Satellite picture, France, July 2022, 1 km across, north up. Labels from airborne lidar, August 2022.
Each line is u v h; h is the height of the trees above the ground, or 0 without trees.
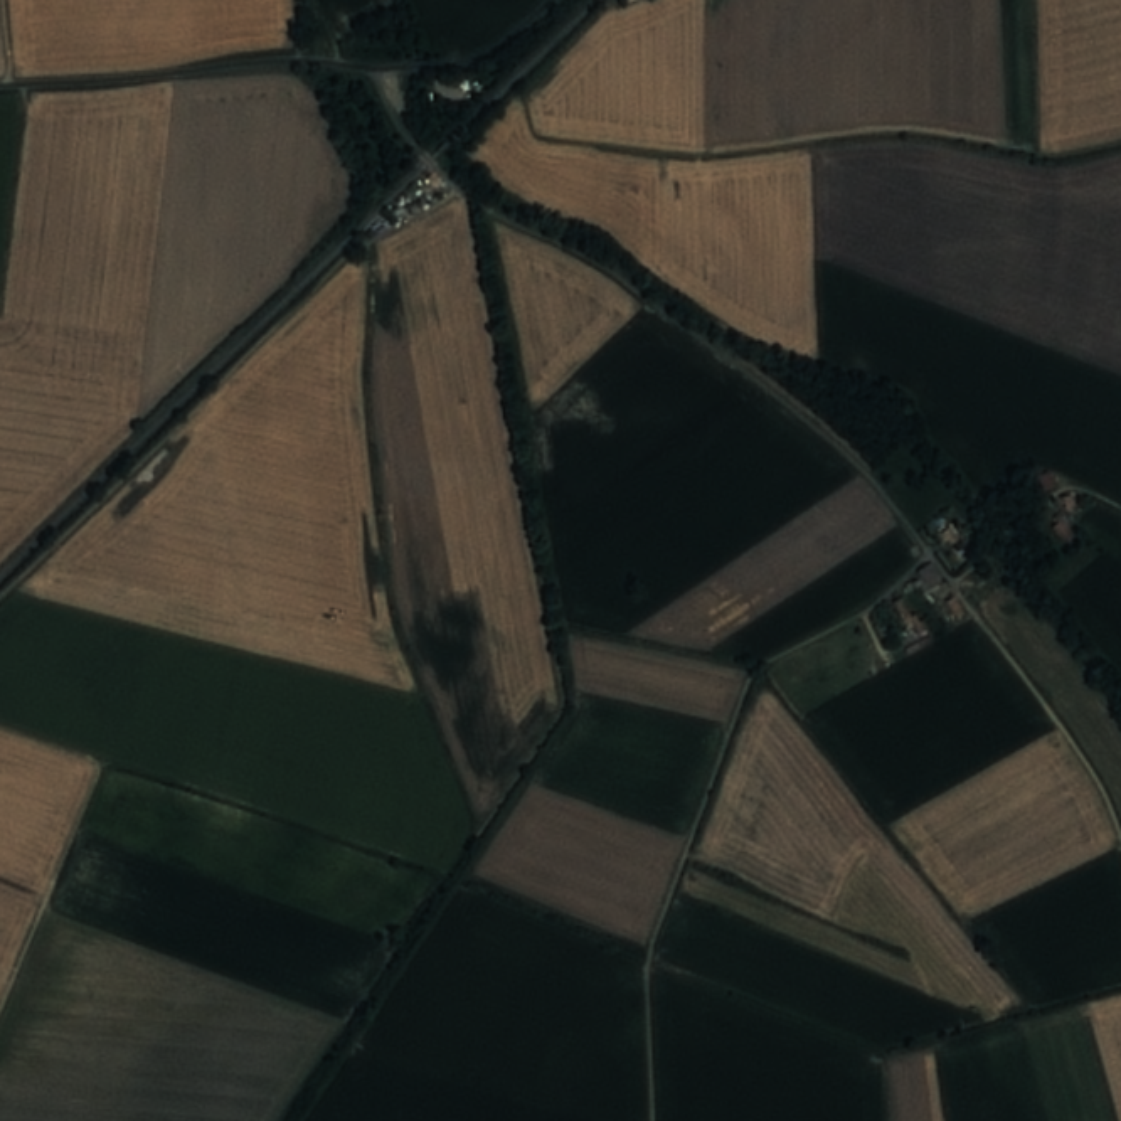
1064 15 0
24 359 0
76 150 0
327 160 0
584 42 0
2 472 0
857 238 0
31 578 0
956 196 0
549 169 0
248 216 0
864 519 0
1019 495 20
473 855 7
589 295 0
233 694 0
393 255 0
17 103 0
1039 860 0
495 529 0
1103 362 0
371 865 0
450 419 0
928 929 0
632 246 0
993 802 0
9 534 0
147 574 0
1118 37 0
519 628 0
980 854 0
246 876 0
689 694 0
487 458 0
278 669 0
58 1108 0
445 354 0
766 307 0
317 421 0
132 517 0
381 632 0
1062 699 0
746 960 0
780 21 0
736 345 24
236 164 0
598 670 0
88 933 0
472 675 0
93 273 0
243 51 0
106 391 0
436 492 0
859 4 0
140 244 0
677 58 0
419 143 11
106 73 0
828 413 13
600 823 0
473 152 17
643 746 0
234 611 0
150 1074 0
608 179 0
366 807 0
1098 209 0
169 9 0
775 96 0
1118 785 0
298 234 0
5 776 0
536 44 7
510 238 0
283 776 0
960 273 0
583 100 0
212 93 0
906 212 0
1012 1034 0
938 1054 0
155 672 0
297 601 0
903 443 17
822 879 0
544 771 0
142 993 0
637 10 0
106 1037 0
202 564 0
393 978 6
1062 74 0
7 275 0
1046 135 0
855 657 0
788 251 0
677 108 0
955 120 0
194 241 0
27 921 0
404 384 0
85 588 0
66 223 0
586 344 0
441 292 0
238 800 0
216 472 0
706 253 0
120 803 0
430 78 14
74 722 0
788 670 0
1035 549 19
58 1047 0
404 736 0
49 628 0
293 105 0
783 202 0
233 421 0
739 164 0
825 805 0
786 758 0
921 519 0
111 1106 0
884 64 0
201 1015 0
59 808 0
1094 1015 0
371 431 0
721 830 0
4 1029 0
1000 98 0
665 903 0
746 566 0
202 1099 0
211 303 0
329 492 0
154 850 0
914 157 0
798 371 21
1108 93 0
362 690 0
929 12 0
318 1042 0
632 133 0
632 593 17
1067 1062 0
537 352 0
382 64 0
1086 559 0
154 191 0
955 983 0
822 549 0
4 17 0
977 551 16
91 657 0
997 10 0
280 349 0
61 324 0
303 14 16
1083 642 15
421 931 6
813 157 0
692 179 0
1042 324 0
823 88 0
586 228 17
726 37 0
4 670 0
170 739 0
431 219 0
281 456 0
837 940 0
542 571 11
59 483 0
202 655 0
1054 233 0
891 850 0
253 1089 0
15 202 0
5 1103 0
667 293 19
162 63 0
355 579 0
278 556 0
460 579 0
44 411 0
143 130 0
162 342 0
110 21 0
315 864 0
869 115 0
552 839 0
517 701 0
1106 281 0
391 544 0
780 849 0
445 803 0
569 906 0
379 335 0
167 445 0
